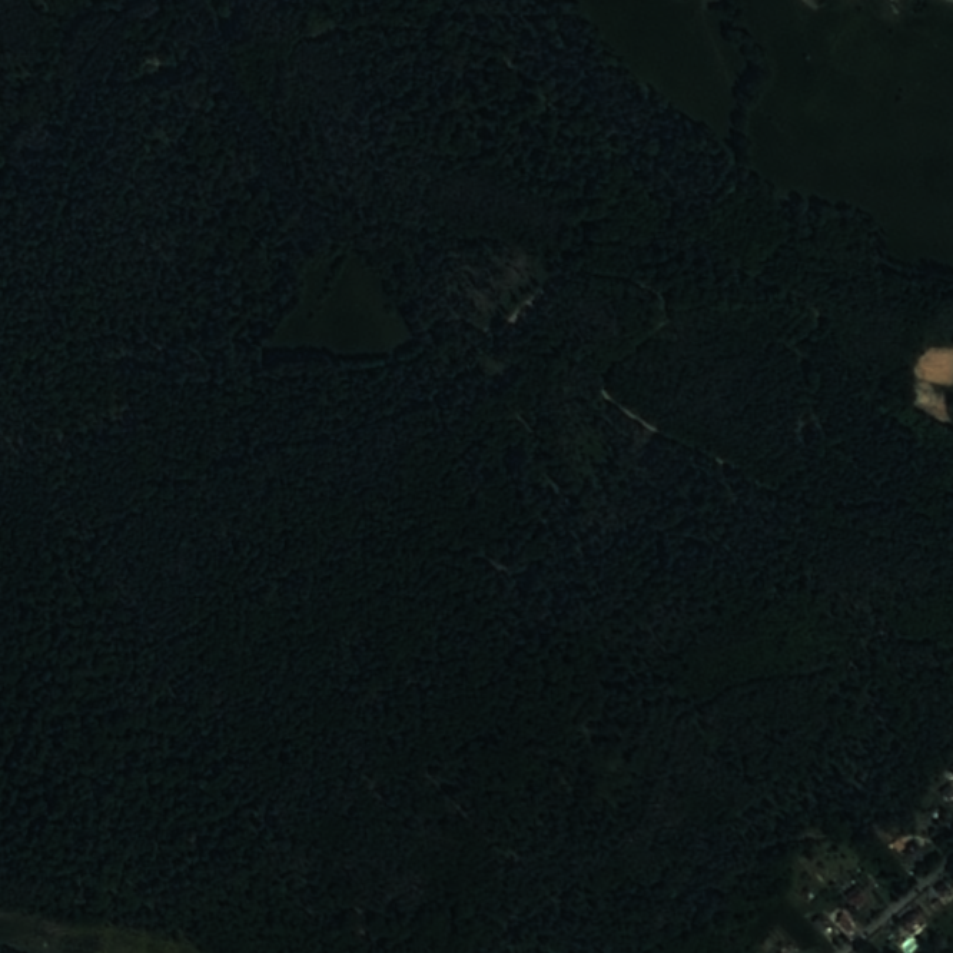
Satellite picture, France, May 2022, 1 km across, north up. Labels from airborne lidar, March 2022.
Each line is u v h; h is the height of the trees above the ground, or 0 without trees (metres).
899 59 0
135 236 25
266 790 24
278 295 28
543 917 29
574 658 28
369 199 14
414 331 25
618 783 11
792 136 0
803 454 21
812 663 16
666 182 8
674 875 28
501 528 27
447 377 23
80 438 27
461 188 17
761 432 19
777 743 24
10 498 19
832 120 0
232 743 24
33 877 20
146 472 26
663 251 23
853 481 24
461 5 23
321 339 0
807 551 26
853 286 21
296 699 27
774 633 16
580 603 29
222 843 21
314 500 25
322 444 28
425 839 21
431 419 23
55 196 29
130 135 22
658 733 21
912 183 0
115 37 31
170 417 26
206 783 27
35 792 16
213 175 20
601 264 15
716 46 0
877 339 18
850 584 20
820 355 23
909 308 18
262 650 23
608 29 0
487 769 24
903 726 25
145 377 29
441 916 26
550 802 24
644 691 26
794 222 26
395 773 24
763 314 18
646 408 18
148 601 25
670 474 21
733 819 27
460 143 25
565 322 20
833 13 0
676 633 19
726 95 0
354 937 25
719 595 24
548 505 33
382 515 25
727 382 18
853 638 21
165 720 25
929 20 0
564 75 35
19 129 30
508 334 20
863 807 20
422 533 25
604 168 26
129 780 26
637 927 27
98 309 24
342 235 25
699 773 25
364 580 25
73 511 21
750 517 27
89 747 24
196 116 25
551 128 12
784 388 16
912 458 26
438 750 25
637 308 18
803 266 14
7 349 23
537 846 28
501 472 29
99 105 25
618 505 29
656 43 0
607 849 18
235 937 21
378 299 0
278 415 28
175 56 25
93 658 23
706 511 26
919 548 22
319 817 21
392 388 29
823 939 0
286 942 24
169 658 23
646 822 23
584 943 29
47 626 7
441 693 26
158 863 14
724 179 32
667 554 29
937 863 15
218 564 23
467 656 27
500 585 43
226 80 27
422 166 18
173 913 20
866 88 0
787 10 0
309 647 23
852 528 21
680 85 0
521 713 26
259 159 28
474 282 18
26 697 27
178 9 17
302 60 15
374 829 22
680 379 18
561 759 22
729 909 20
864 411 24
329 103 13
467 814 26
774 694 26
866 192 0
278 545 23
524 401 24
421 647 23
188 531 26
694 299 22
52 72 29
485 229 18
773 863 19
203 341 33
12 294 23
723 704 23
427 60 15
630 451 20
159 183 18
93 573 20
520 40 29
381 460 25
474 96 28
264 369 26
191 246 28
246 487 24
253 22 23
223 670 26
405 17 13
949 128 0
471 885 25
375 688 22
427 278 26
